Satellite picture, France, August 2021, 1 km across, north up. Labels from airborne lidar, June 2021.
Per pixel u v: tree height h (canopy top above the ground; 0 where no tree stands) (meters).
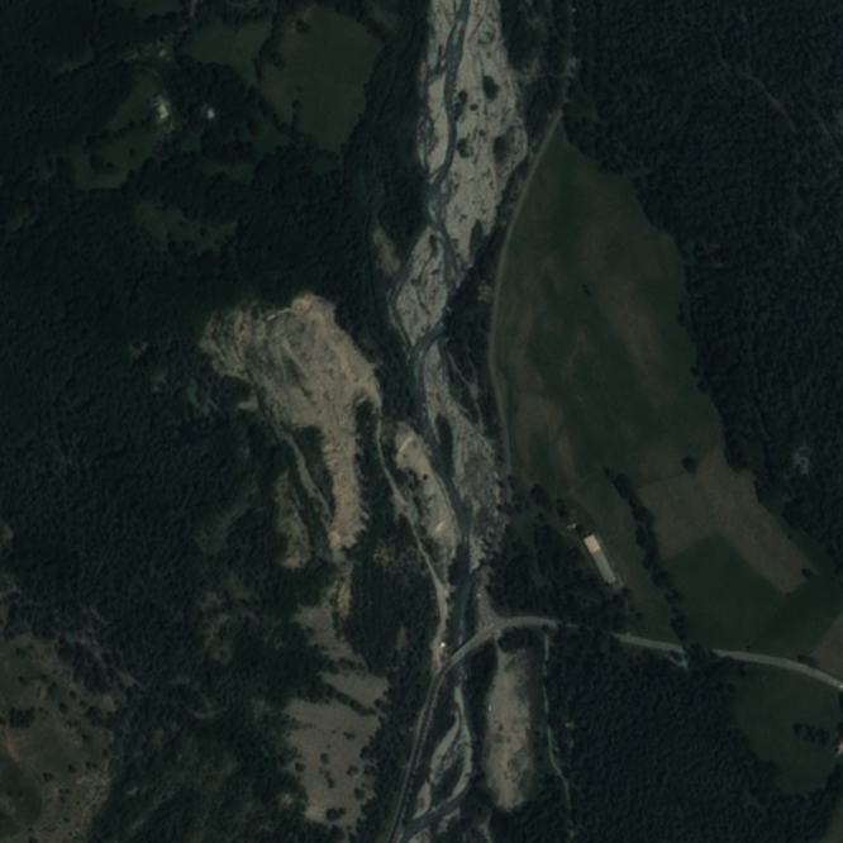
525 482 0
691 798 19
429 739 6
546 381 0
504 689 0
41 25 19
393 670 9
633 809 18
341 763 0
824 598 0
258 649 24
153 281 32
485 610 0
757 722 0
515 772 0
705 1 15
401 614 10
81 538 28
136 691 15
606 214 0
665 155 17
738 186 28
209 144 20
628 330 0
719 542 0
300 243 27
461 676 0
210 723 19
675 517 0
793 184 21
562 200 0
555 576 10
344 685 0
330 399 0
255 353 0
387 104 8
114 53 22
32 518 26
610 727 32
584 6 14
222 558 11
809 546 0
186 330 17
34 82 22
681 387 0
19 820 0
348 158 18
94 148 17
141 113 0
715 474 0
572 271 0
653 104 28
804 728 13
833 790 13
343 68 0
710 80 29
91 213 20
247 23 9
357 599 8
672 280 0
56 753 0
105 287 23
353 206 16
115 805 7
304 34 8
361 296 18
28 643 0
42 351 31
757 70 16
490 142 0
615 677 31
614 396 0
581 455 0
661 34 20
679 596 18
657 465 0
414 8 9
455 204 0
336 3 12
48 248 30
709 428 0
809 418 11
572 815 7
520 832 20
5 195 9
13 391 29
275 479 8
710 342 16
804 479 10
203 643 17
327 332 0
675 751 32
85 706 10
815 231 12
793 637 0
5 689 0
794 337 20
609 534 0
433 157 0
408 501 0
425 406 0
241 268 24
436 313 0
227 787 6
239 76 14
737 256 16
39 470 12
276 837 17
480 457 0
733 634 0
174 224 0
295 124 8
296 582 7
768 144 22
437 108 0
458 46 0
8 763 0
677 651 0
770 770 14
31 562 23
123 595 22
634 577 0
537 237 0
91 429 15
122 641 20
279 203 21
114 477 18
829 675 0
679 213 28
